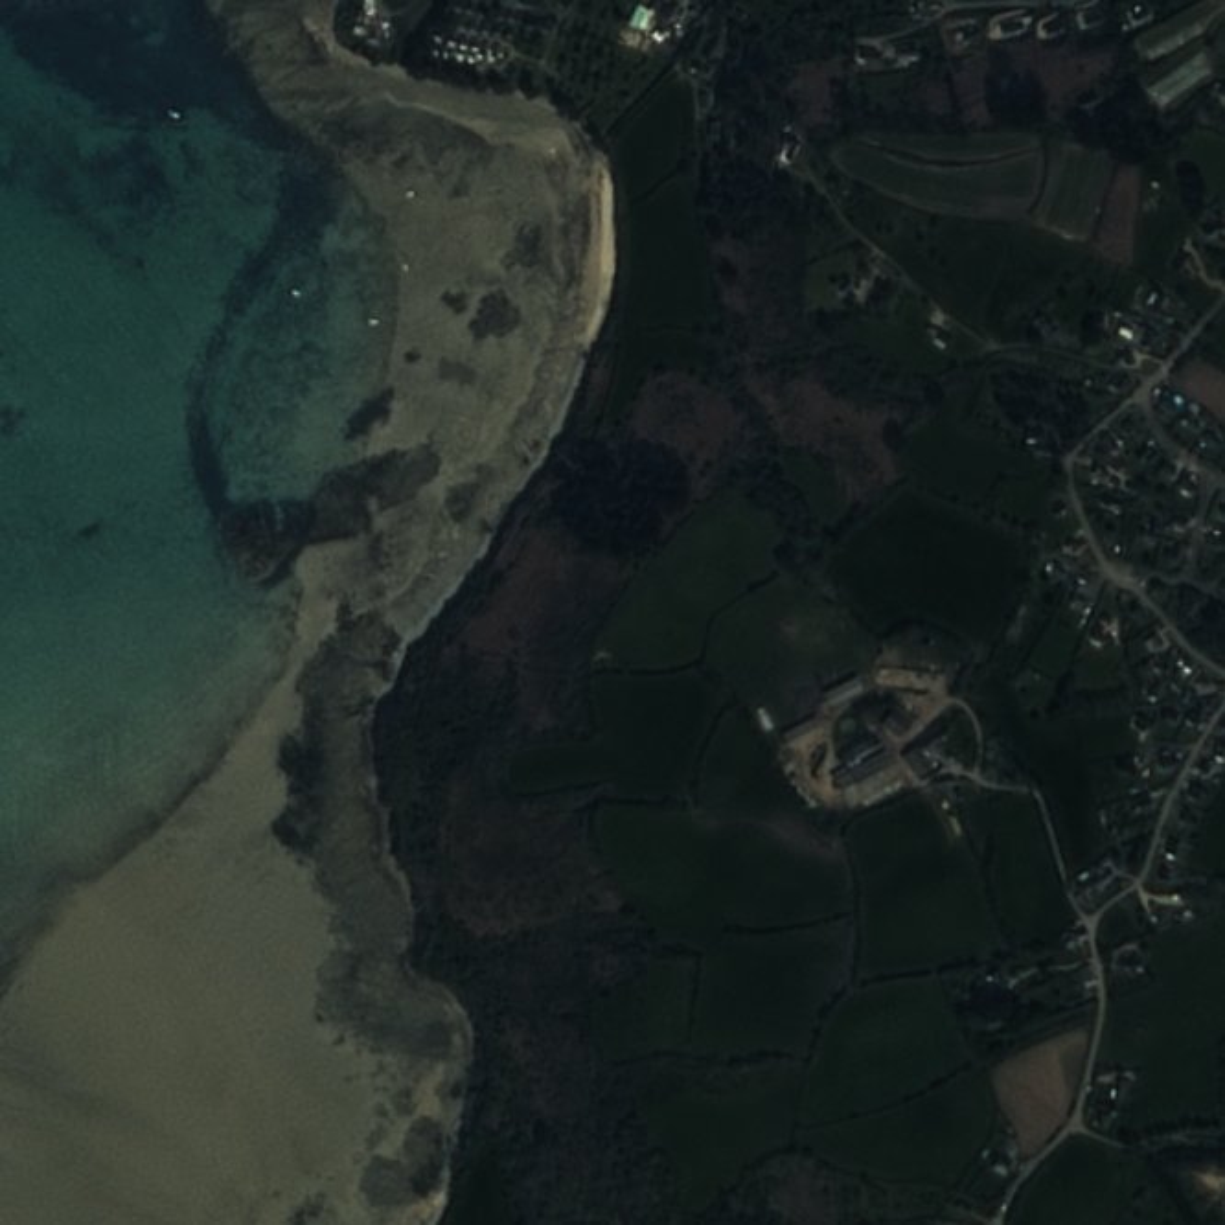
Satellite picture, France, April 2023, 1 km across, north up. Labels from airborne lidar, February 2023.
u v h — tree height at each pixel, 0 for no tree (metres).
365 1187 0
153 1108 0
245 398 0
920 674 0
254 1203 0
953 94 7
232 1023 0
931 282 0
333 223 0
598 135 16
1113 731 0
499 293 0
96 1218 0
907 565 0
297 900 0
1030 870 0
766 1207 6
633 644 0
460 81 17
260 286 0
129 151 0
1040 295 0
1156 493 6
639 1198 6
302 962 0
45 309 0
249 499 0
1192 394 0
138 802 0
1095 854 0
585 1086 6
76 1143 0
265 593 0
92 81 0
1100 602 0
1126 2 0
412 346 0
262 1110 0
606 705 0
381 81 0
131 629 0
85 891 0
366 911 0
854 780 0
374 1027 0
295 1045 0
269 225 0
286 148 0
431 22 11
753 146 14
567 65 8
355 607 0
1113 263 0
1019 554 0
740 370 11
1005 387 12
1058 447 11
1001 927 6
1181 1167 16
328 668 0
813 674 0
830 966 0
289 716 0
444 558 0
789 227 14
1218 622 13
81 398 0
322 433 0
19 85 0
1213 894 10
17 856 0
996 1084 0
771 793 0
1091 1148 0
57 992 0
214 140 0
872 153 0
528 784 0
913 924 0
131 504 0
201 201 0
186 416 0
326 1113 0
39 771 0
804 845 0
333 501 0
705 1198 0
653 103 0
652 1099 0
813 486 0
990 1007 21
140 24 0
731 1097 0
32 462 0
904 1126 0
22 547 0
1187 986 0
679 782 0
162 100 0
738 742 0
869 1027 0
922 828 0
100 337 0
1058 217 0
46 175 0
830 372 10
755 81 12
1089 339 11
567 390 0
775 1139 0
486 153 0
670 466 15
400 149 0
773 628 0
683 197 0
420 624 0
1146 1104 0
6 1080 0
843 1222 7
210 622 0
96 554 0
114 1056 0
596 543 18
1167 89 0
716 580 0
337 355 0
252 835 0
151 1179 0
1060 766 0
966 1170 0
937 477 0
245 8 0
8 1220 0
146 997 0
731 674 0
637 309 0
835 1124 0
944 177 0
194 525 0
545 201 0
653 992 0
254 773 0
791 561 13
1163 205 6
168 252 0
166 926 0
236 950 0
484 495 0
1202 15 0
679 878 0
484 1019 6
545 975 0
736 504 0
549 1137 11
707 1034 0
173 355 0
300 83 0
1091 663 0
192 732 0
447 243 0
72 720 0
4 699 0
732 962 0
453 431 0
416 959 9
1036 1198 0
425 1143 0
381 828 0
